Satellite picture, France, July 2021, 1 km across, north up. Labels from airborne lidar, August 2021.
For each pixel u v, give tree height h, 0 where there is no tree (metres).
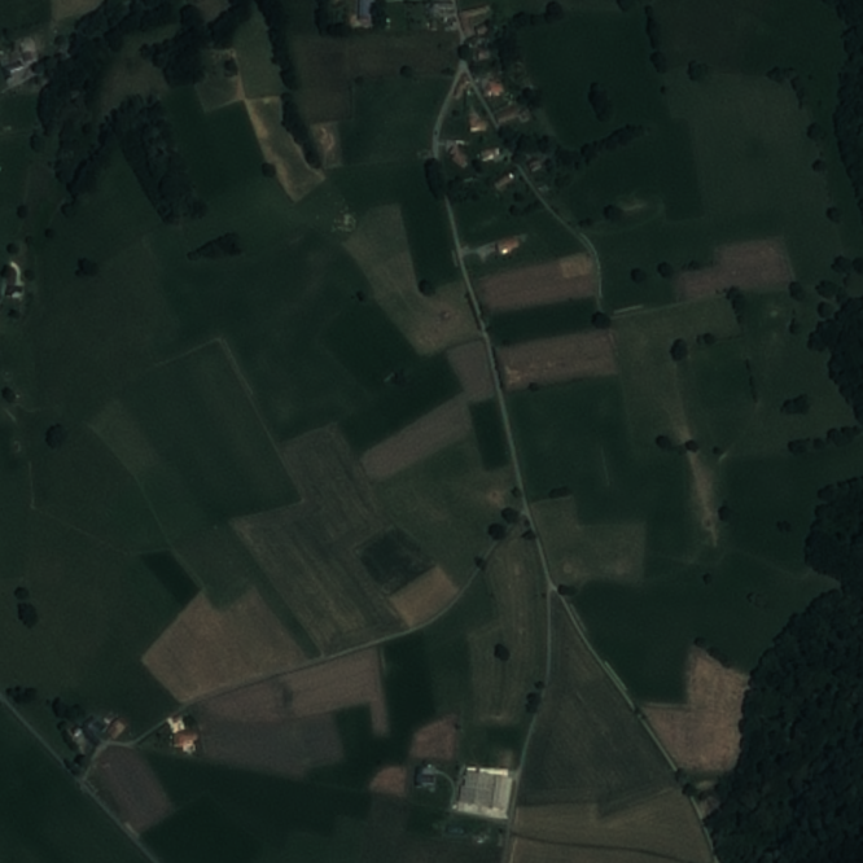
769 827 25
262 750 0
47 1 0
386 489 0
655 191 0
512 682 0
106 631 0
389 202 0
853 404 11
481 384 0
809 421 0
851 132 20
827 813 25
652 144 0
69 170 16
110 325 0
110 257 0
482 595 0
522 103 13
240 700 0
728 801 21
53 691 0
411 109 0
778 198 0
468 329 0
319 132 0
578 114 0
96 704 0
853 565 25
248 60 0
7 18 0
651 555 0
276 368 0
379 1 16
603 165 0
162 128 26
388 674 0
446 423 0
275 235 0
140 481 0
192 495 0
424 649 0
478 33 6
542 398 0
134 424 0
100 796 0
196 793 0
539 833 0
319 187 0
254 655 0
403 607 0
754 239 0
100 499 0
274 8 27
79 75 27
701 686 0
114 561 0
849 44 18
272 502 0
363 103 0
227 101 0
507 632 0
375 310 0
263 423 0
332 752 0
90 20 15
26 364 0
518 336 0
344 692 0
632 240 0
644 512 0
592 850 0
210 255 13
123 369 0
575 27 0
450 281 0
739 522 0
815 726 32
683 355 17
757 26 0
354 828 0
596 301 0
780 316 0
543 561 0
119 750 0
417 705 0
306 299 0
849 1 23
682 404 0
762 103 0
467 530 0
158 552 0
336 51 0
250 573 0
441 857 0
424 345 0
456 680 0
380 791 0
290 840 0
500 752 0
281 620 0
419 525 0
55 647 0
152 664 0
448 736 0
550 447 0
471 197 6
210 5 0
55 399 0
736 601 0
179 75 12
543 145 16
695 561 0
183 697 0
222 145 0
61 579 0
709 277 0
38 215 0
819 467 0
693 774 0
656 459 0
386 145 0
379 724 0
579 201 0
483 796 0
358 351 0
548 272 0
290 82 18
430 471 0
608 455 0
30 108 0
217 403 0
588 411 0
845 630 26
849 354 22
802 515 0
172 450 0
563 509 0
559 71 0
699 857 0
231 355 0
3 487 0
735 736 0
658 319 0
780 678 25
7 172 0
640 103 0
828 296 18
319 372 0
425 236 0
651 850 0
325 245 0
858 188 12
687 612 0
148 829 0
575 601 0
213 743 0
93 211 0
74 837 0
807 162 0
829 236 0
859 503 9
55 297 0
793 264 0
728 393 0
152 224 0
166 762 0
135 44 0
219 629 0
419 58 0
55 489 0
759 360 0
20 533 0
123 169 0
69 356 0
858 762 22
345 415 0
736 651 0
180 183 22
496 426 0
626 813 0
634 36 0
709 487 0
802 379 0
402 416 0
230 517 0
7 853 0
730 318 0
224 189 0
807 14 0
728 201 0
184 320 0
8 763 0
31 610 16
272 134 0
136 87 0
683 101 0
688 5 0
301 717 0
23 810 0
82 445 0
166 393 0
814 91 0
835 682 7
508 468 0
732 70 0
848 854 20
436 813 0
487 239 0
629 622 0
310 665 0
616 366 0
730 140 0
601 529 0
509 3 0
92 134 17
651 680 0
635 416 0
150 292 0
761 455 0
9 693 12
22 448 0
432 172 19
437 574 0
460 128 0
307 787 0
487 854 0
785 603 0
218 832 0
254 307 0
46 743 0
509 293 0
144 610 0
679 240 0
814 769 22
